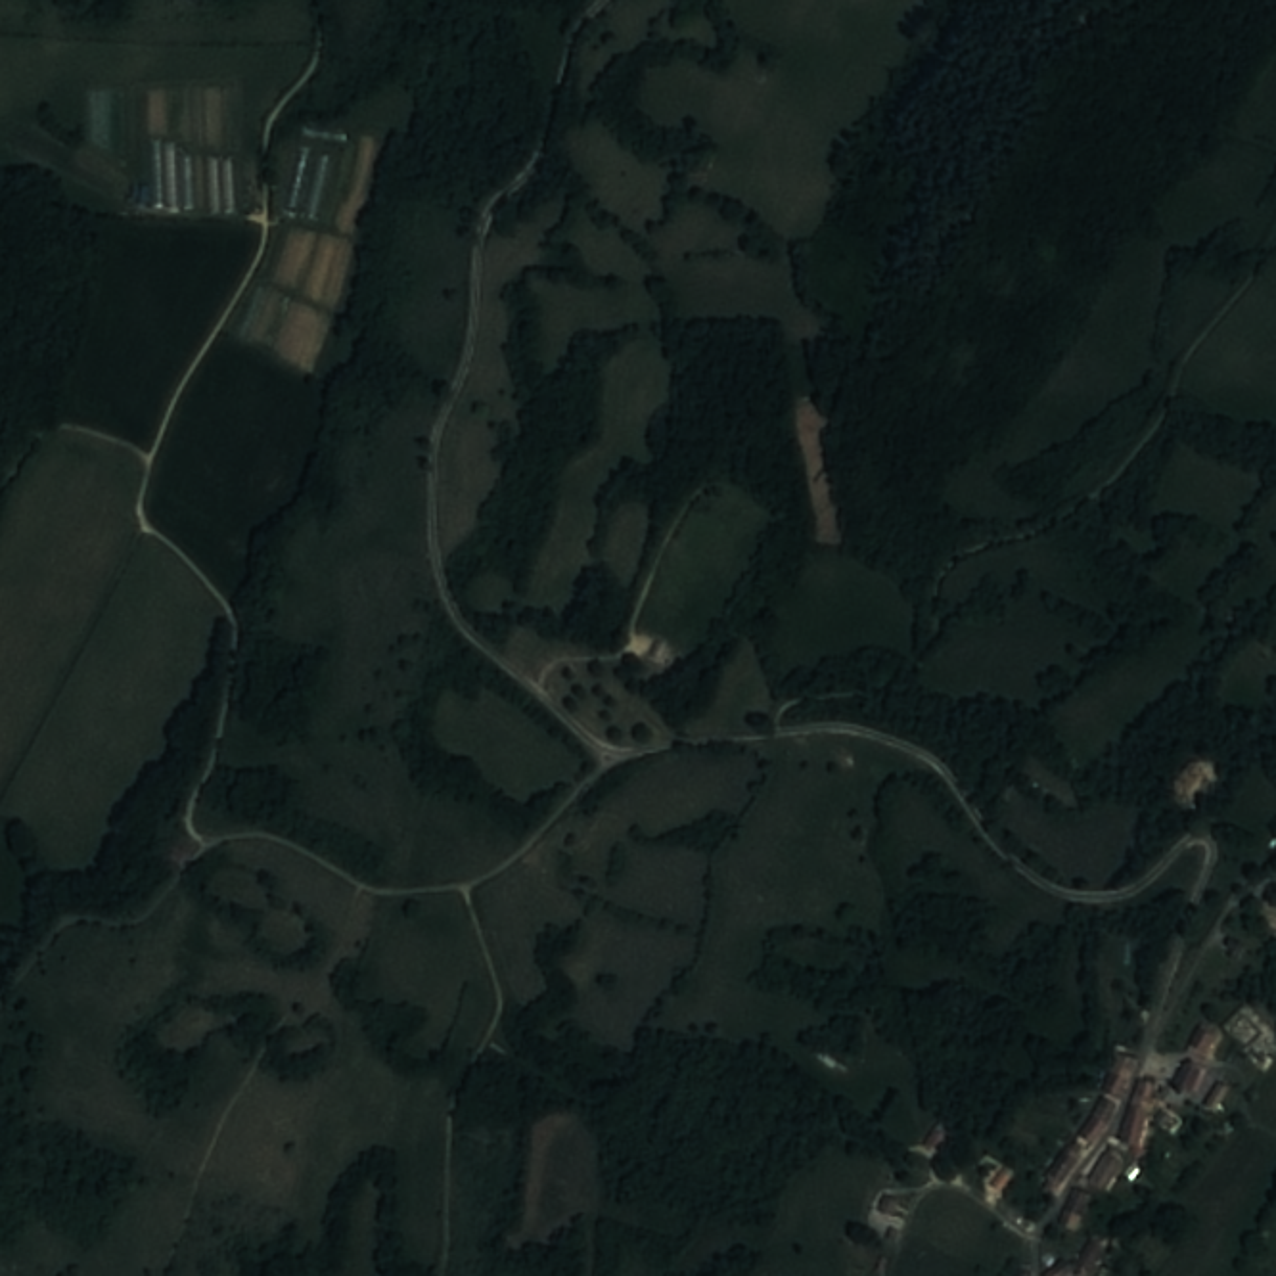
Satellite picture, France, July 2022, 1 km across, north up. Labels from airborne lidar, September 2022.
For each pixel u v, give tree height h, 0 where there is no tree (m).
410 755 10
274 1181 0
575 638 12
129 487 0
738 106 0
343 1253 13
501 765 0
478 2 11
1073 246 10
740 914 0
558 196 14
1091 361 0
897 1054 0
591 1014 0
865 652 9
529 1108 14
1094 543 12
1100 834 0
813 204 0
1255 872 17
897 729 13
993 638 0
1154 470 8
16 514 0
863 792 0
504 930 0
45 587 0
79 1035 0
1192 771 0
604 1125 14
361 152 0
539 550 10
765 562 14
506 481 10
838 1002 13
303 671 18
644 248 13
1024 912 0
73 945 0
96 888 13
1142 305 0
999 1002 15
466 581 14
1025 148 13
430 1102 0
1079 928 10
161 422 0
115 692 0
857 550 13
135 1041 8
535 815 12
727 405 18
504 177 20
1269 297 0
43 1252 0
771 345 15
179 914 0
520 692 12
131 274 0
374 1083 0
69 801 0
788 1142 7
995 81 27
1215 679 18
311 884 0
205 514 0
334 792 0
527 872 0
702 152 15
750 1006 0
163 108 0
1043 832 0
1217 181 0
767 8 0
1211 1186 0
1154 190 13
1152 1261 0
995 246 13
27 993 0
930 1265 0
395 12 8
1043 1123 0
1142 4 20
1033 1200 8
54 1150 10
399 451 0
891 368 16
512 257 0
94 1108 0
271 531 13
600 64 0
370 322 9
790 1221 0
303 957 11
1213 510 0
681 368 12
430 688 11
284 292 0
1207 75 16
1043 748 12
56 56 0
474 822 0
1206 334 0
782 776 0
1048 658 0
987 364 8
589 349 10
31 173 19
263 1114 0
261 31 0
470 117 10
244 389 0
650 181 0
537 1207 0
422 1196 0
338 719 0
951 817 13
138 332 0
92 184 0
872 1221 0
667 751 6
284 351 0
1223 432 21
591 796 6
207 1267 10
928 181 33
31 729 0
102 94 0
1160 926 17
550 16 11
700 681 22
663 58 13
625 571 0
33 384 20
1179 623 13
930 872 15
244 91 0
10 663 0
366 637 0
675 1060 7
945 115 21
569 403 14
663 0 0
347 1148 0
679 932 6
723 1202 8
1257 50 16
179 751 19
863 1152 17
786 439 17
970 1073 12
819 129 0
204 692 18
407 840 0
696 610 0
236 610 12
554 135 15
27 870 19
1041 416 0
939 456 12
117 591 0
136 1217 0
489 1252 11
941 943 16
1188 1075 0
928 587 11
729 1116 7
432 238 0
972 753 16
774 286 0
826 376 23
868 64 0
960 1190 0
